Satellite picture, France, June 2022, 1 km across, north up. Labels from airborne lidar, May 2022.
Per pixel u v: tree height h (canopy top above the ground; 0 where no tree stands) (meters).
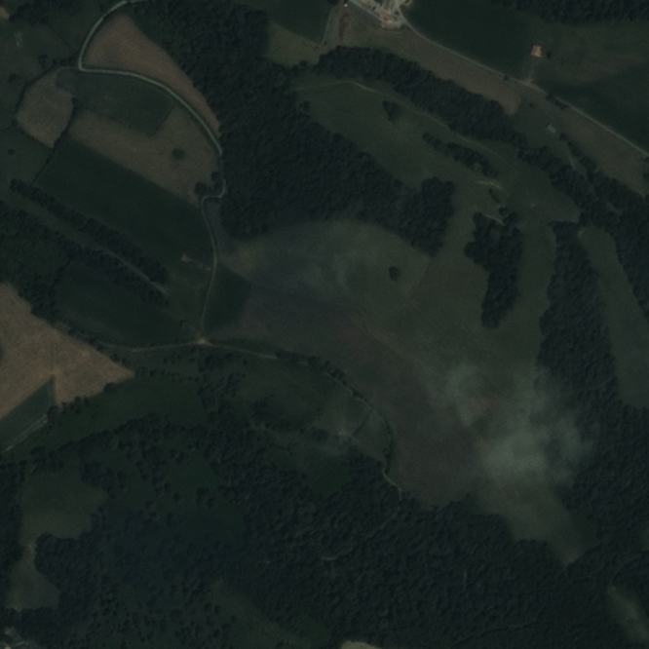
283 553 20
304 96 0
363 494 7
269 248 0
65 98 0
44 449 14
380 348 0
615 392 10
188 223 0
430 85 21
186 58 9
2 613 21
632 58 0
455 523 18
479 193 0
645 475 19
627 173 0
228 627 12
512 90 0
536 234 0
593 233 0
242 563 10
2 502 25
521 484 0
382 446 0
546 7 20
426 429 0
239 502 22
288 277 0
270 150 20
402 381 0
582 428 22
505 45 0
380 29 0
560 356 15
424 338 0
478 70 0
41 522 0
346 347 0
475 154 20
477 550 17
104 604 11
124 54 0
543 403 16
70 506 0
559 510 0
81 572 16
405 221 14
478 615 17
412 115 0
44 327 0
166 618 7
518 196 0
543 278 0
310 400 0
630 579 10
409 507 6
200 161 0
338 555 8
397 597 18
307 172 13
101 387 0
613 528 11
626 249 17
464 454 0
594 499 18
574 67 0
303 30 0
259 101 17
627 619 0
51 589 0
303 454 0
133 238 0
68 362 0
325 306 0
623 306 0
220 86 20
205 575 14
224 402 8
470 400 0
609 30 0
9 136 0
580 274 14
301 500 16
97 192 0
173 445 0
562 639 12
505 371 0
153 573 0
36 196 13
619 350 0
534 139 0
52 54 0
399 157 0
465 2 0
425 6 0
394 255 0
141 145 0
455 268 0
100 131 0
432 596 20
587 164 18
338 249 0
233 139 15
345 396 0
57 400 0
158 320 0
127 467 0
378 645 6
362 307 0
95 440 16
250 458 13
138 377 10
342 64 31
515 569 17
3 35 0
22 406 0
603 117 0
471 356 0
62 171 0
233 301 0
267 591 8
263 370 0
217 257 0
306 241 0
